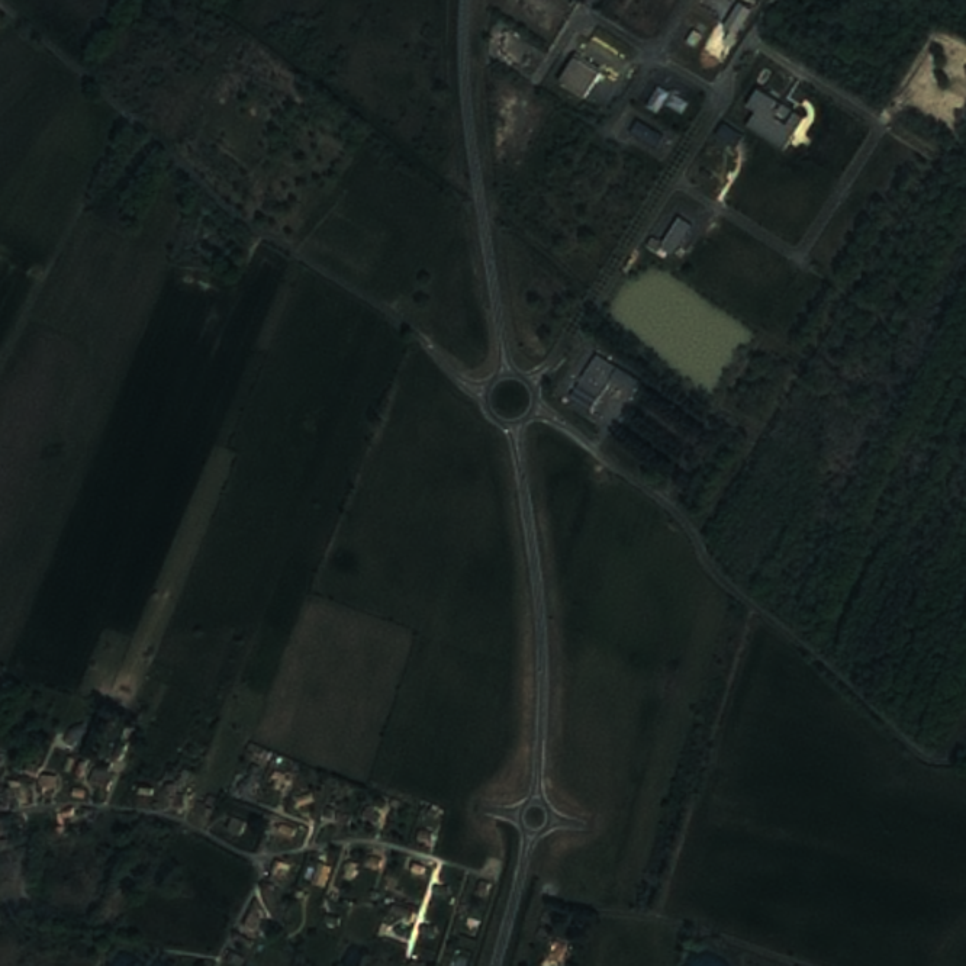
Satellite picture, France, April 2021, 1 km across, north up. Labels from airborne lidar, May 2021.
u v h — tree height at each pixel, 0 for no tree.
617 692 0
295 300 0
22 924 26
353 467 0
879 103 14
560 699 0
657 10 0
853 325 17
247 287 0
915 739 9
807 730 0
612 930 0
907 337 18
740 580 8
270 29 7
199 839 7
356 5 0
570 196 10
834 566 22
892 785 0
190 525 0
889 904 0
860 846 0
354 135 17
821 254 0
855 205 0
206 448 0
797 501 12
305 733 0
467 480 0
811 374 19
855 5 21
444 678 0
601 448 0
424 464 0
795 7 9
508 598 0
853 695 12
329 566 0
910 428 24
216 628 0
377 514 0
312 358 0
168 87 0
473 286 0
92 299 0
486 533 0
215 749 0
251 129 0
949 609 13
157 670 0
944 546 21
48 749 6
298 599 0
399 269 0
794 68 0
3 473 0
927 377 21
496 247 0
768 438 6
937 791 0
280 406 0
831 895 0
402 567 0
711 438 16
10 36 0
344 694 0
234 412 0
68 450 0
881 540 10
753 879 0
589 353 0
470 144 0
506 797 0
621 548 0
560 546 0
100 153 0
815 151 0
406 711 0
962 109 0
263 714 0
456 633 0
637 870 0
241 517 0
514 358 0
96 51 14
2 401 0
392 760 0
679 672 0
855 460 19
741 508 10
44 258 0
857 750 0
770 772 0
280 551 0
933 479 21
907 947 0
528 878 0
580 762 0
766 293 0
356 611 0
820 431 10
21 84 0
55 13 0
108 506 0
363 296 0
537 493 0
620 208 8
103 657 0
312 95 18
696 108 0
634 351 19
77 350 0
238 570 0
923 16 18
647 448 16
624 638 0
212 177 10
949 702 22
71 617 0
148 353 0
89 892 0
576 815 0
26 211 0
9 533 0
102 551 0
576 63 0
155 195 15
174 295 0
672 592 0
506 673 0
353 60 0
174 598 0
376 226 0
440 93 15
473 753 0
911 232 23
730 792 0
